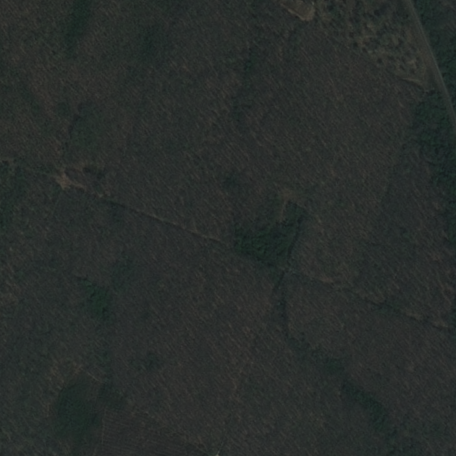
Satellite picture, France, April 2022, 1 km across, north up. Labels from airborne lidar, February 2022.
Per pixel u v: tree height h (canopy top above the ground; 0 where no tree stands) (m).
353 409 0
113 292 26
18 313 29
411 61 30
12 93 21
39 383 29
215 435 25
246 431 0
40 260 28
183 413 23
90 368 23
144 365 26
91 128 32
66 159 22
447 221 29
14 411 31
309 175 26
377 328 23
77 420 11
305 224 25
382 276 33
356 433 26
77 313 30
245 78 30
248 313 27
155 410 25
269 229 21
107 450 5
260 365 0
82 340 28
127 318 26
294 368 0
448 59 25
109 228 26
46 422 23
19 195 26
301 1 0
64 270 28
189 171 25
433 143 25
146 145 27
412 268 30
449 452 29
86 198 26
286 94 25
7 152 19
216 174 29
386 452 29
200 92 30
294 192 23
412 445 29
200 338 25
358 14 0
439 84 0
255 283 28
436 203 34
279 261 22
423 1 24
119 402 6
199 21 26
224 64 25
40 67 0
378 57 28
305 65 25
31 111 21
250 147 29
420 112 28
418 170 31
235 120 29
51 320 28
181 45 26
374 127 0
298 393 0
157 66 22
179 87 26
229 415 24
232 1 0
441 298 32
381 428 23
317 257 0
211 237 25
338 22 0
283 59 0
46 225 29
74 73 22
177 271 24
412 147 28
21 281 29
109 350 27
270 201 23
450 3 30
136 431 9
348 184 0
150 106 26
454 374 0
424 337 26
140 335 26
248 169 28
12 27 22
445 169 30
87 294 28
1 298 29
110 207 26
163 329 23
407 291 30
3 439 29
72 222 27
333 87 26
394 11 30
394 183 24
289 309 25
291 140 25
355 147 0
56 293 28
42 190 27
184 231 23
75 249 28
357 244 0
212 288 24
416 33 0
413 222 30
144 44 20
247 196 27
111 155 20
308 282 25
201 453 6
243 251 14
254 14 26
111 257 28
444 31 26
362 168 0
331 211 0
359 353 21
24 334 29
